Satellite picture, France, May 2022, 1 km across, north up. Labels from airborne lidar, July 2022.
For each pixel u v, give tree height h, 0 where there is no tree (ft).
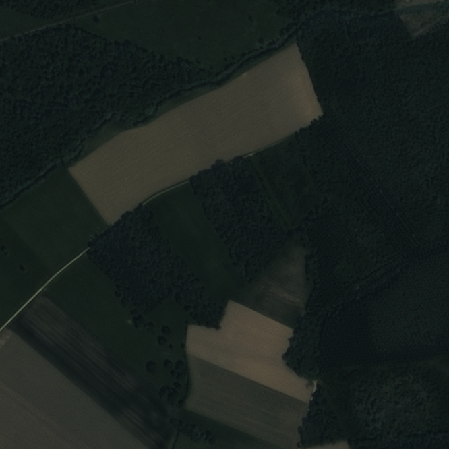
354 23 96
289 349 34
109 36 0
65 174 0
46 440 0
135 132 0
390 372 20
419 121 26
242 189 89
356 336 112
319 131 66
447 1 26
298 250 0
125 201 0
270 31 0
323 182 53
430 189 67
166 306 0
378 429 46
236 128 0
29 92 61
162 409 0
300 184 20
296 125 0
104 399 0
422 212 39
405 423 18
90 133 43
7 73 92
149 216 53
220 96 0
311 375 87
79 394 0
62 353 0
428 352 88
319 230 62
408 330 82
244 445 0
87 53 68
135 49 65
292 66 0
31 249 0
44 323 0
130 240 74
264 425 0
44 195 0
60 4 23
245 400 0
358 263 38
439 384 22
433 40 30
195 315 87
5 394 0
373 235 40
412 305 74
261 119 0
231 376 0
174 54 0
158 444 0
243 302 0
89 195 0
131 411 0
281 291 0
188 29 0
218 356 0
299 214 20
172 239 0
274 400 0
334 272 34
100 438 0
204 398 0
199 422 0
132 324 0
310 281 27
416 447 73
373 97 49
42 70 52
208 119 0
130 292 70
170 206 0
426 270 80
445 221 35
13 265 0
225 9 0
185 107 0
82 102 83
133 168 0
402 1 0
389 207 67
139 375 0
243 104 0
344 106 36
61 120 85
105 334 0
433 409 18
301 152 67
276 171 20
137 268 90
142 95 72
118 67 82
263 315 0
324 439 77
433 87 21
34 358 0
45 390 0
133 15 0
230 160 0
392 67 56
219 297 0
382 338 91
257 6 0
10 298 0
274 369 0
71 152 57
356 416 34
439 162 56
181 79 66
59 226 0
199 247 0
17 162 49
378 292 98
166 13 0
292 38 41
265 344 0
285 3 60
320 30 71
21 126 36
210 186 55
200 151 0
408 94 63
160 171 0
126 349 0
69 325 0
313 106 0
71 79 67
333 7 42
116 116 49
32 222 0
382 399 28
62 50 63
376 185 48
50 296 0
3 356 0
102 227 0
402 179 29
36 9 69
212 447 0
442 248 73
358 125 34
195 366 0
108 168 0
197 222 0
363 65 31
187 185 0
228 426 0
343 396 31
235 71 31
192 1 0
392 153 25
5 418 0
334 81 37
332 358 114
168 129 0
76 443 0
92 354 0
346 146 63
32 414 0
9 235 0
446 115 63
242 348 0
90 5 83
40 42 67
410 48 64
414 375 23
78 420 0
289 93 0
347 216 31
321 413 87
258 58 29
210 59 0
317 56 31
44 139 56
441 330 67
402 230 74
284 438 0
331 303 35
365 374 26
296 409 0
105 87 75
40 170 60
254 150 0
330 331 107
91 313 0
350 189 25
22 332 0
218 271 0
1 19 0
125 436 0
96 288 0
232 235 79
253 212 103
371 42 77
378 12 27
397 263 31
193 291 74
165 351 0
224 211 67
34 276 0
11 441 0
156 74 67
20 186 57
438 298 87
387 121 28
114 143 0
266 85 0
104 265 76
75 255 0
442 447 63
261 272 60
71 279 0
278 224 28
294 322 0
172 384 0
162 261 86
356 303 104
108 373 0
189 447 0
